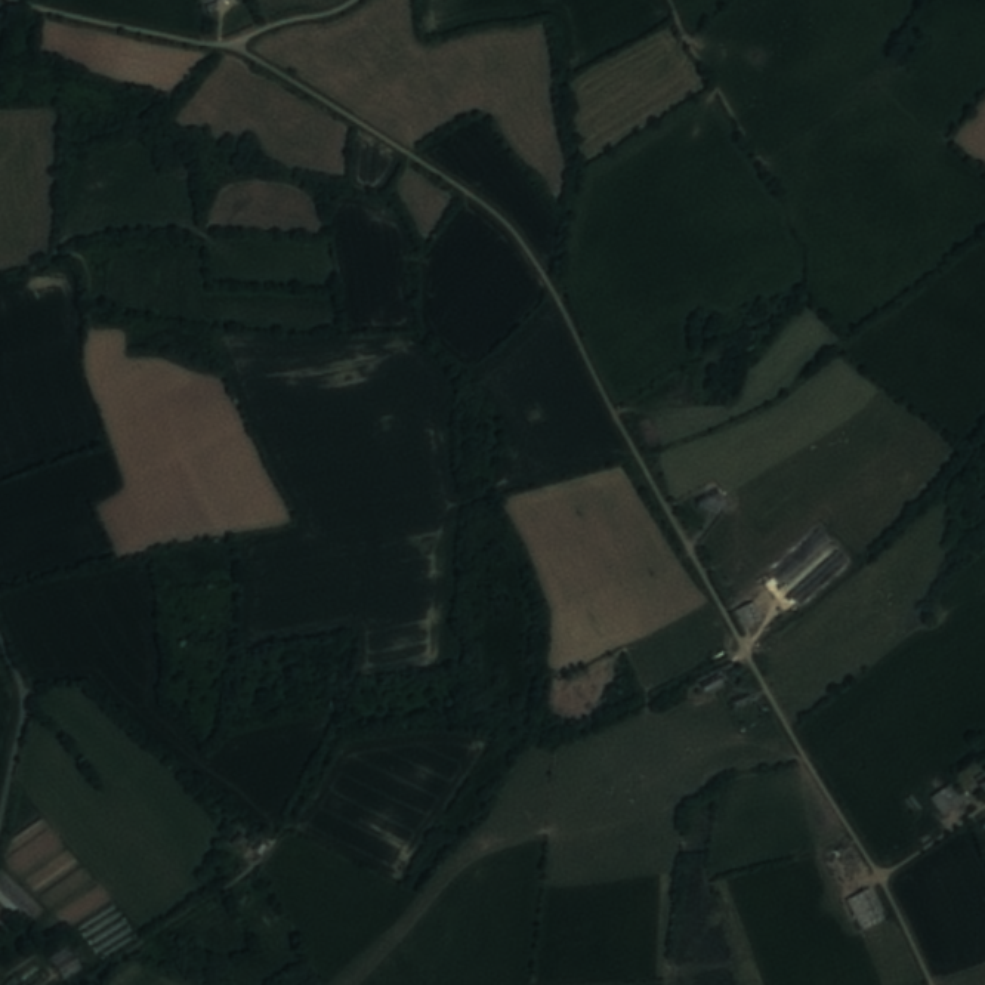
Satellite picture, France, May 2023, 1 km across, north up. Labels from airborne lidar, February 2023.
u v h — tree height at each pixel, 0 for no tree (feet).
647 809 0
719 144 0
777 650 0
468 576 34
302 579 0
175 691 0
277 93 0
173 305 0
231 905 29
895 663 0
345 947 0
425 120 0
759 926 0
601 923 0
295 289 43
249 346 0
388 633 0
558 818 0
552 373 0
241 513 0
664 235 0
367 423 0
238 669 31
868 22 0
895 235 0
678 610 0
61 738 41
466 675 47
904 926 0
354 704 29
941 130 0
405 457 0
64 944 38
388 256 0
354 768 0
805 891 0
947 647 0
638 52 0
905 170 0
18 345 0
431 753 0
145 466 0
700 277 0
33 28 28
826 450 0
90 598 0
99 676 0
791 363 0
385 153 0
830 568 0
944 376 0
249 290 28
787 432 0
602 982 0
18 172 0
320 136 0
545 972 0
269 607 0
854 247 0
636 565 0
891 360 0
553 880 0
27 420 0
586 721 29
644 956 0
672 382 0
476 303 0
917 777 0
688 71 0
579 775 0
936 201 0
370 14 0
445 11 0
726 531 0
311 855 0
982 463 29
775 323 23
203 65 32
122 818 0
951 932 0
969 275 0
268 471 19
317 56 0
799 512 0
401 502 0
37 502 0
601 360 0
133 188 0
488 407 31
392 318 0
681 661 0
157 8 0
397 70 0
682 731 0
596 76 0
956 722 0
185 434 0
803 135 0
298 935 32
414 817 0
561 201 26
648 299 0
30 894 0
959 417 0
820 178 0
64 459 30
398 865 0
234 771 0
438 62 0
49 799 0
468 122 22
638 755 0
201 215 27
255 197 0
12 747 0
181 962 27
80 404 0
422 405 0
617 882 0
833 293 0
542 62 0
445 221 20
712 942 0
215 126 0
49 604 0
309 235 26
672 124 0
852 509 0
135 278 0
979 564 0
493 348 32
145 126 36
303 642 37
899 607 0
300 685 37
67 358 0
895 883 0
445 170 0
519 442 0
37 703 38
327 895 0
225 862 28
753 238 0
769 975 0
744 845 0
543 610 29
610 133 0
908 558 0
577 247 0
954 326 0
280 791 0
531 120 0
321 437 0
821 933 0
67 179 22
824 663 0
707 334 34
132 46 0
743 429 0
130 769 0
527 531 0
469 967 0
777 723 0
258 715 38
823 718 0
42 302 0
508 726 33
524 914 0
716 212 0
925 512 25
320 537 0
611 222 0
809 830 0
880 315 26
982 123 0
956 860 0
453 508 0
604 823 0
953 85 0
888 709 0
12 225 0
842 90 0
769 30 0
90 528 0
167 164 36
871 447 0
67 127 22
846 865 0
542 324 0
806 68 0
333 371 0
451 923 0
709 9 0
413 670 38
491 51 0
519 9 0
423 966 0
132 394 0
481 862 0
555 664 0
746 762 0
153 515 0
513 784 0
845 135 0
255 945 35
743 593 0
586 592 0
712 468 0
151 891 0
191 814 0
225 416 0
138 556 26
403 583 0
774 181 39
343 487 0
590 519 0
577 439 0
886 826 0
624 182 0
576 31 0
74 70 37
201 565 0
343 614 0
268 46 0
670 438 0
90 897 0
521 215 0
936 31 0
